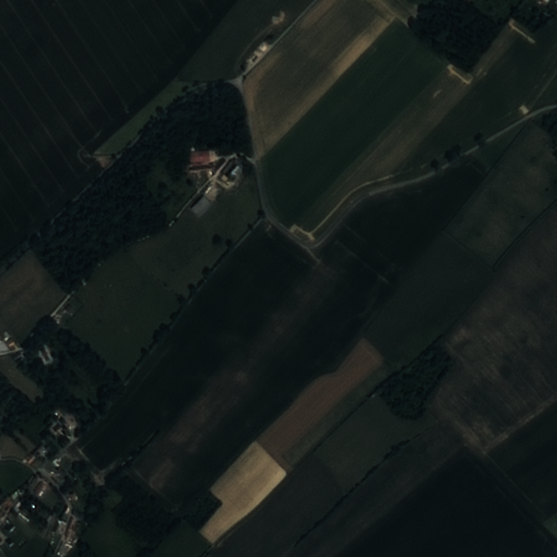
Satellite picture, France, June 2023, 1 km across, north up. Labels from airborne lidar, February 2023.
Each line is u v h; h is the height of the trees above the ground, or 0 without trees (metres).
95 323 0
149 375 0
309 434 0
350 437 0
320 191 0
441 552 0
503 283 0
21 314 0
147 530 10
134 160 18
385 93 0
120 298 0
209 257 0
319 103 0
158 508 9
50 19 0
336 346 0
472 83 0
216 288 0
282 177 0
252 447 0
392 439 0
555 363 0
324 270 0
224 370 0
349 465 0
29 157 0
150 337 0
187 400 0
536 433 0
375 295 0
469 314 0
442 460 0
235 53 0
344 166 0
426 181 0
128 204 20
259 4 0
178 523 21
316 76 0
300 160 0
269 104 0
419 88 0
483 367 0
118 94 0
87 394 0
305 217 0
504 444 0
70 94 0
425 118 0
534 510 0
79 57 0
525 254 0
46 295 0
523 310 0
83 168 0
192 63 0
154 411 0
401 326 0
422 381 11
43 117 0
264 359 0
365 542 0
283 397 0
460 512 0
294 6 0
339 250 0
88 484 13
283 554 0
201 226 0
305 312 0
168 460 0
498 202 0
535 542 0
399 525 0
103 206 17
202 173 0
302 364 0
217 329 0
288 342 0
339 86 0
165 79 0
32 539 0
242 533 0
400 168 0
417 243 0
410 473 0
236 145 17
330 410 0
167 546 0
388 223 0
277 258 0
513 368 0
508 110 0
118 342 0
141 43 0
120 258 0
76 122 0
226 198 0
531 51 0
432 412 0
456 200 0
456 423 0
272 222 0
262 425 0
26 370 20
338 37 0
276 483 0
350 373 0
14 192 0
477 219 0
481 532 0
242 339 0
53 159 0
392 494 0
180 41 0
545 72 0
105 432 0
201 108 18
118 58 0
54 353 9
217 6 0
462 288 0
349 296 0
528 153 0
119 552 0
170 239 0
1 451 0
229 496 0
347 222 0
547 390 0
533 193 0
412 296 0
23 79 0
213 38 0
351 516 0
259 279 0
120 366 0
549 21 12
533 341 0
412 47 0
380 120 0
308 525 0
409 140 0
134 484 12
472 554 0
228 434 0
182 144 19
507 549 0
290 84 0
